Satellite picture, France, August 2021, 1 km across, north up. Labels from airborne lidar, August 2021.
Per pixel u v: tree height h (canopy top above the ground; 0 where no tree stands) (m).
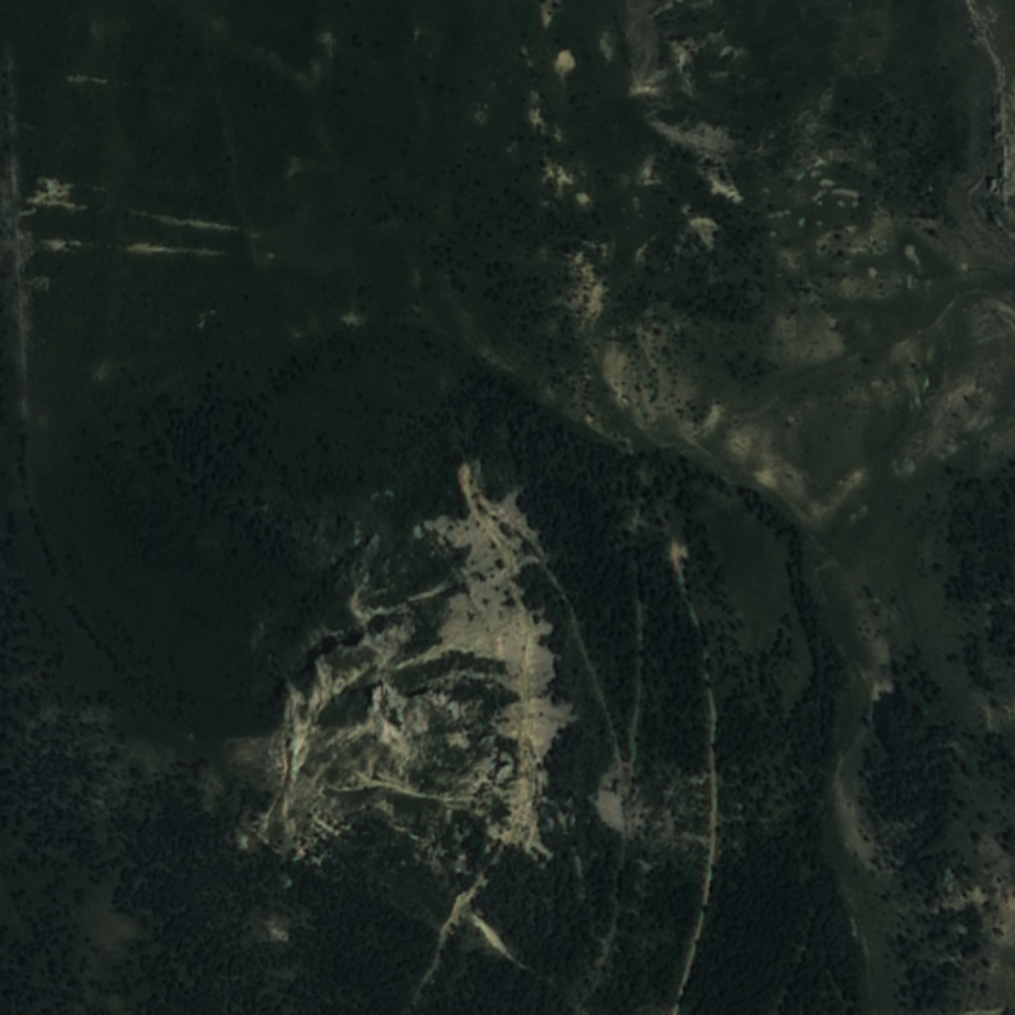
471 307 0
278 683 8
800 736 20
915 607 0
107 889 0
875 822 6
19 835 7
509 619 0
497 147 0
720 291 5
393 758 0
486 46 0
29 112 0
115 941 0
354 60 0
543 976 8
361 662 0
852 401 0
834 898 18
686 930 11
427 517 6
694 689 9
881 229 0
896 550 0
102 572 0
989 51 0
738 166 0
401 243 0
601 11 0
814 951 17
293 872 9
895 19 0
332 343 6
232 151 0
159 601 0
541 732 0
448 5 0
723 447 0
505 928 6
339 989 9
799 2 0
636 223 0
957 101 0
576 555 10
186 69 0
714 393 0
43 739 6
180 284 0
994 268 0
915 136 7
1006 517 6
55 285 0
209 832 12
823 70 0
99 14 0
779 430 0
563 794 7
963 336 0
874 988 0
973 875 12
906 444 0
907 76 0
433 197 0
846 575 0
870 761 8
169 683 0
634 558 16
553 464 8
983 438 0
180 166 0
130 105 0
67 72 0
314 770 0
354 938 12
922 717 19
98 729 6
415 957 13
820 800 18
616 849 9
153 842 8
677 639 10
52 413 0
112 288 0
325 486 6
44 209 0
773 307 0
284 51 0
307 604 10
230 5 0
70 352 0
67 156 0
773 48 0
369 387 0
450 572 6
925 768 9
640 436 0
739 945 25
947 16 0
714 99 0
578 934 20
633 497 11
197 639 0
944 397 0
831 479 0
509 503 0
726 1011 15
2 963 14
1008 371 0
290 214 0
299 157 0
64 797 9
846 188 0
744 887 15
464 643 0
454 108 0
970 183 0
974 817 0
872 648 0
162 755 0
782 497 0
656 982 9
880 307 0
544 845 6
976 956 10
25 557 0
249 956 6
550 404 0
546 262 0
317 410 0
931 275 0
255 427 8
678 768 6
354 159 0
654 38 0
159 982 16
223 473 14
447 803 0
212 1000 15
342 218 0
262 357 0
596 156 0
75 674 0
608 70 0
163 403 10
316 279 0
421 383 0
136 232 0
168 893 12
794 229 0
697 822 7
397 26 0
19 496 0
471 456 12
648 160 0
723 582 9
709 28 0
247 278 0
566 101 0
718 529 0
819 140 0
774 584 0
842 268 0
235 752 0
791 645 11
